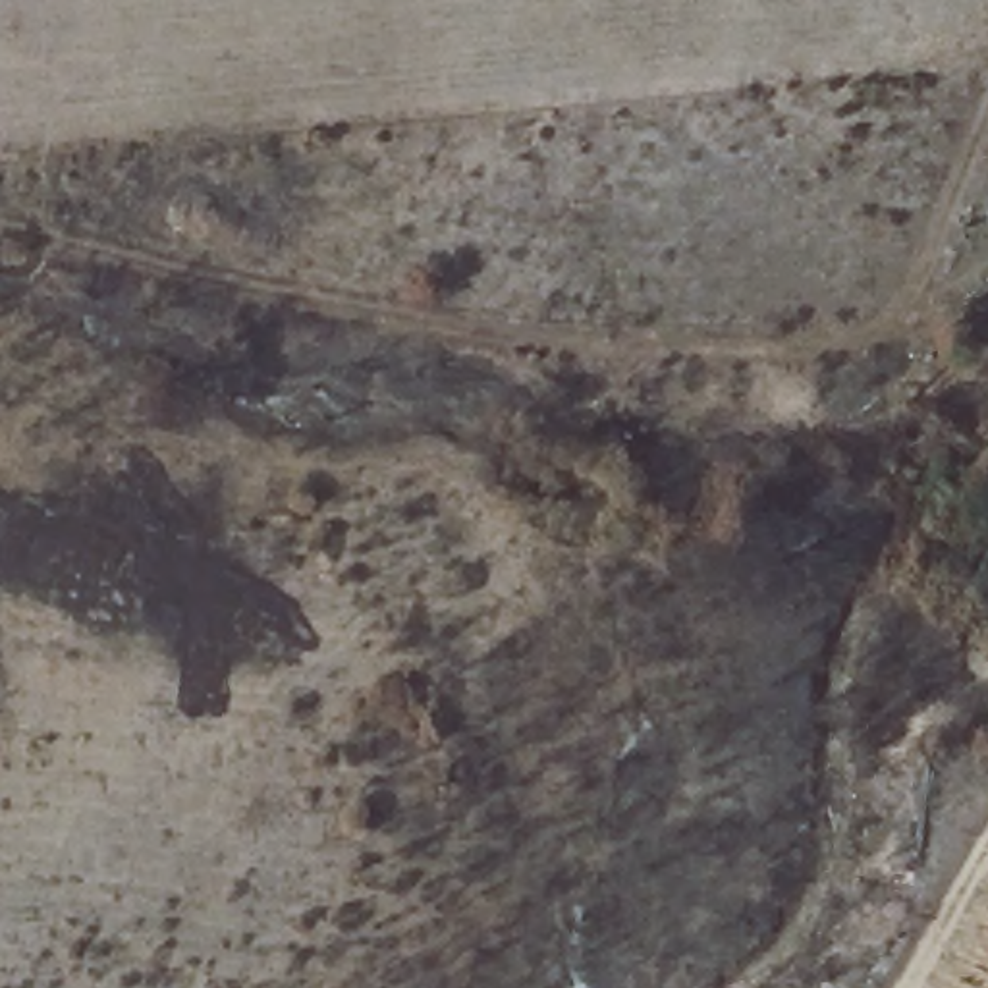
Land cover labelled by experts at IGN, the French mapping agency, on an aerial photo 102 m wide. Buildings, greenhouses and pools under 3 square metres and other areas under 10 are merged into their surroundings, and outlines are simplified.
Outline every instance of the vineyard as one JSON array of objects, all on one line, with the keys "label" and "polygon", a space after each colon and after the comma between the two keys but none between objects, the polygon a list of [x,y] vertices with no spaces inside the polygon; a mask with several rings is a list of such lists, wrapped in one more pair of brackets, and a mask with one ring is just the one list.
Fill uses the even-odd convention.
[{"label": "vineyard", "polygon": [[965,922],[953,930],[946,953],[926,976],[926,988],[988,988],[988,880],[973,892]]}]

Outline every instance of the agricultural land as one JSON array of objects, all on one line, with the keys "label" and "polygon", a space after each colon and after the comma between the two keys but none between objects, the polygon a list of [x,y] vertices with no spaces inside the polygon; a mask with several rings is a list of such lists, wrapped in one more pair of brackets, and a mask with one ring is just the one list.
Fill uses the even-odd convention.
[{"label": "agricultural land", "polygon": [[880,69],[915,73],[934,50],[988,46],[988,0],[0,0],[0,143],[127,143],[143,139],[154,127],[189,124],[208,124],[216,131],[270,131],[286,116],[297,116],[313,127],[351,116],[386,120],[459,108],[479,112],[486,104],[525,112],[540,104],[625,104],[637,96],[722,93],[753,81],[772,89],[776,81],[791,77],[865,77]]}]

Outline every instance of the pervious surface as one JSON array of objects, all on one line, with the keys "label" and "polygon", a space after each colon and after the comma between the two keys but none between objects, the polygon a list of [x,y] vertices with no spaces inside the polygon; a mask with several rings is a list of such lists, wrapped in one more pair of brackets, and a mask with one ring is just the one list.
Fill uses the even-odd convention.
[{"label": "pervious surface", "polygon": [[953,876],[938,919],[919,938],[919,949],[895,980],[895,988],[926,988],[926,976],[946,953],[953,930],[965,922],[973,892],[988,880],[988,830],[976,837],[969,861]]}]

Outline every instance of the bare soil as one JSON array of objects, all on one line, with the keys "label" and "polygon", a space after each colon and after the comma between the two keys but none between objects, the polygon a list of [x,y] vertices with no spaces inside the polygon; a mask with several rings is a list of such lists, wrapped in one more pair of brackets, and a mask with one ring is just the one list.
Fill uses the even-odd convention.
[{"label": "bare soil", "polygon": [[[919,394],[919,382],[926,382],[930,371],[942,367],[938,359],[953,351],[953,340],[969,347],[969,363],[976,367],[973,378],[942,394]],[[625,104],[540,104],[525,112],[486,104],[479,112],[459,108],[386,120],[351,116],[313,127],[297,116],[286,116],[270,131],[216,131],[208,124],[189,124],[154,127],[143,139],[127,143],[0,143],[0,988],[895,988],[895,980],[919,949],[919,938],[938,919],[953,876],[969,861],[976,837],[988,830],[988,587],[976,590],[969,575],[922,567],[922,548],[911,536],[903,540],[899,567],[880,567],[880,548],[892,544],[895,513],[872,502],[868,486],[876,471],[888,463],[915,463],[919,425],[907,421],[911,401],[949,421],[957,432],[980,432],[980,455],[973,463],[988,475],[988,46],[934,50],[915,73],[880,69],[865,77],[791,77],[776,81],[772,89],[753,81],[722,93],[637,96]],[[606,540],[590,540],[587,548],[560,548],[548,536],[536,536],[521,521],[517,498],[575,506],[587,482],[571,475],[567,436],[583,425],[594,425],[606,409],[660,417],[664,428],[679,428],[695,444],[710,471],[737,471],[741,529],[726,544],[702,544],[691,521],[672,517],[664,575],[652,575],[637,560],[610,556]]]}]

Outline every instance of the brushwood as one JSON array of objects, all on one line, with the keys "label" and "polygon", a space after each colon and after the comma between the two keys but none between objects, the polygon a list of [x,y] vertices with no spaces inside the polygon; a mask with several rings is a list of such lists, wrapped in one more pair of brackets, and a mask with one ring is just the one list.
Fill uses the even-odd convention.
[{"label": "brushwood", "polygon": [[980,432],[957,432],[949,421],[911,401],[907,421],[919,425],[915,463],[888,463],[876,471],[868,486],[872,502],[895,513],[892,544],[880,548],[880,567],[899,567],[903,540],[911,536],[922,548],[922,567],[969,575],[976,590],[988,587],[988,475],[973,463],[980,455]]}]

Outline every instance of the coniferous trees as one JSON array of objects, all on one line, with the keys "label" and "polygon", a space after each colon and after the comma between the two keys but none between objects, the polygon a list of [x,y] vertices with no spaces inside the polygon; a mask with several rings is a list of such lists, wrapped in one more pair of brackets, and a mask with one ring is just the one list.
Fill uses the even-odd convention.
[{"label": "coniferous trees", "polygon": [[919,394],[942,394],[973,378],[976,367],[969,363],[969,347],[953,340],[953,351],[938,359],[942,367],[930,371],[926,382],[919,382]]},{"label": "coniferous trees", "polygon": [[664,575],[672,517],[691,521],[702,544],[726,544],[741,529],[737,471],[710,471],[695,444],[679,428],[664,428],[660,417],[606,409],[594,425],[583,425],[567,436],[571,475],[587,482],[575,506],[517,498],[521,521],[536,536],[548,536],[560,548],[587,548],[590,540],[606,540],[610,556],[637,560],[652,575]]}]

